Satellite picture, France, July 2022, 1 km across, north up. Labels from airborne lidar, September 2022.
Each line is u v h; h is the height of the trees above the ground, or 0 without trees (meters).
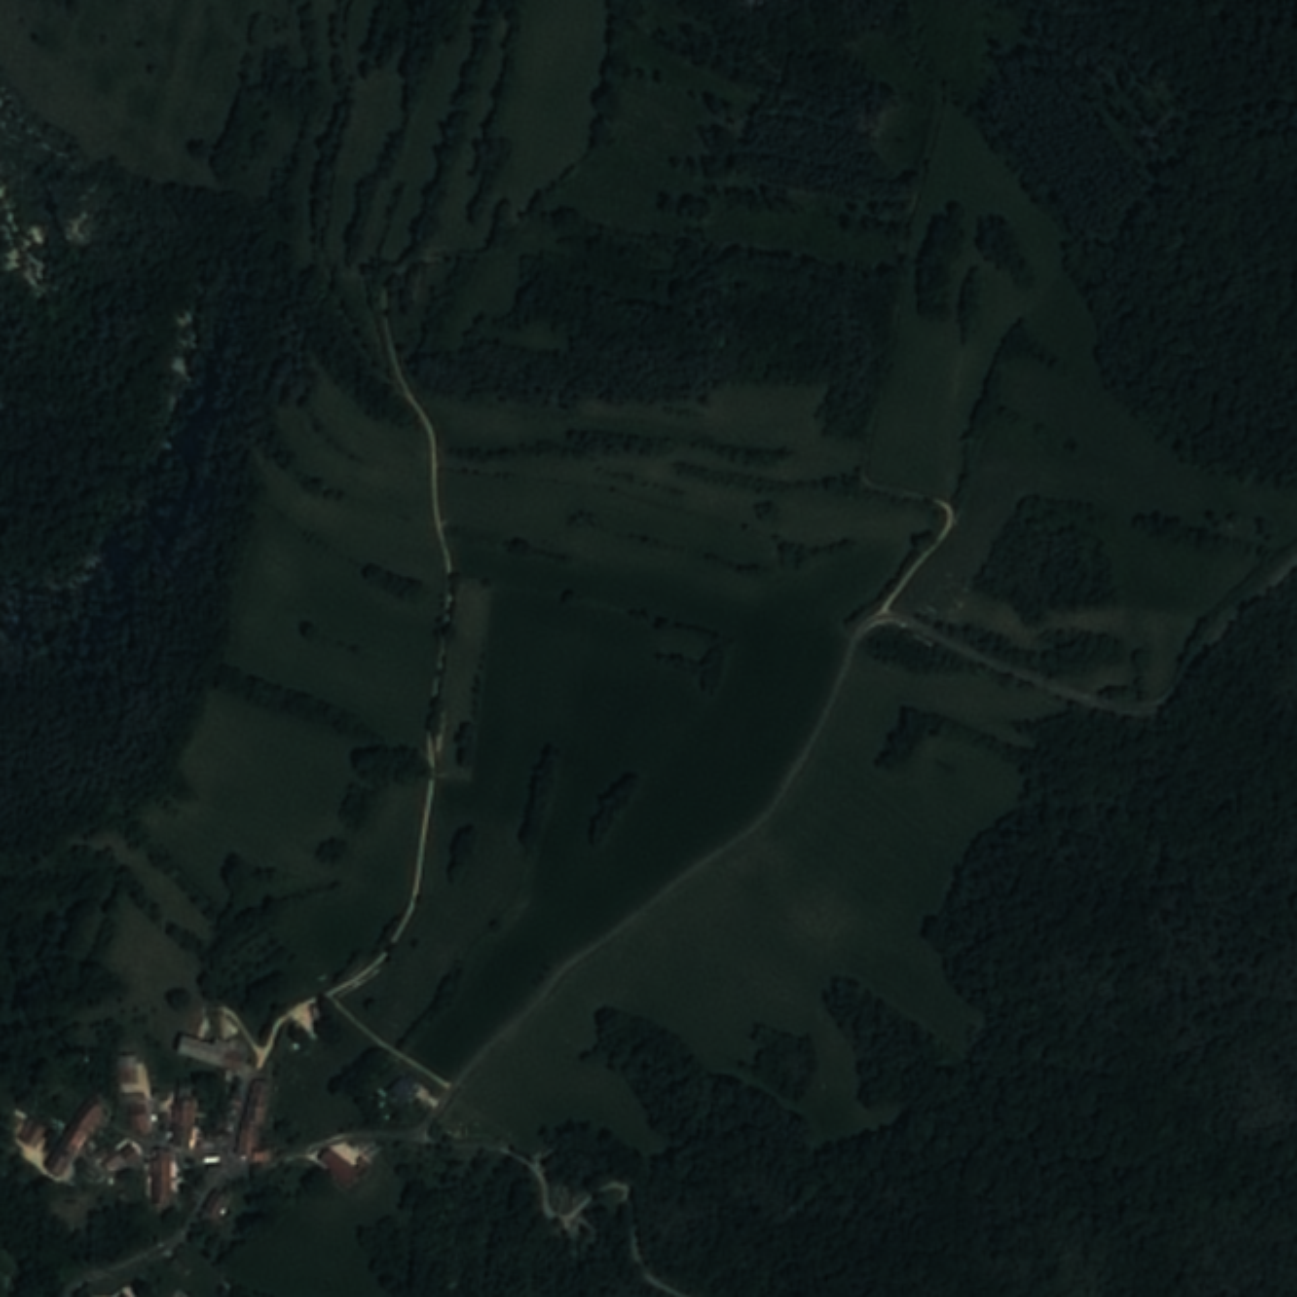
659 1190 13
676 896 0
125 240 10
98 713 20
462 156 15
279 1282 0
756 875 0
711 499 0
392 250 0
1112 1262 9
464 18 10
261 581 0
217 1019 10
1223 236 12
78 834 15
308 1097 0
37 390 13
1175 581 0
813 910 0
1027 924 15
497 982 0
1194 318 12
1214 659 14
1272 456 12
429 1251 9
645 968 0
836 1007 14
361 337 9
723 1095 19
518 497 0
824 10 19
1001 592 9
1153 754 11
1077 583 8
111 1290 0
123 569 11
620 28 14
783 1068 8
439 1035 0
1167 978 12
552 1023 0
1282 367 12
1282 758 12
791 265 18
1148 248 17
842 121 26
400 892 0
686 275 7
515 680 0
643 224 0
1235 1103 10
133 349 16
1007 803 0
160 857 13
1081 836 14
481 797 0
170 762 16
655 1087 12
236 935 12
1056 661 10
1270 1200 14
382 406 13
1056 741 11
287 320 18
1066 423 0
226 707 0
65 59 0
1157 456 0
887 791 0
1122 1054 12
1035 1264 7
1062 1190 21
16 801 17
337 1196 0
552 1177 9
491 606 0
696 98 17
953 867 0
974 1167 22
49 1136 9
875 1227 14
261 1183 14
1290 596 9
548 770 13
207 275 12
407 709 0
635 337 10
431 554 0
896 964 0
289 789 0
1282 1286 8
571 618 0
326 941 0
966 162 0
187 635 18
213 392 10
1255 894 13
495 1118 0
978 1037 17
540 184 0
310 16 9
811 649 0
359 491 0
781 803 0
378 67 9
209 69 0
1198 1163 17
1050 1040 13
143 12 0
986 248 18
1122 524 0
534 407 6
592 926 0
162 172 0
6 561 13
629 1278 11
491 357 9
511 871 0
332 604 0
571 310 8
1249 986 12
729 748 0
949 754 0
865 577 0
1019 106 23
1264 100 9
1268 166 15
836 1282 14
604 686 0
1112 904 20
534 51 0
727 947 0
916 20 13
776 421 0
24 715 15
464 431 0
